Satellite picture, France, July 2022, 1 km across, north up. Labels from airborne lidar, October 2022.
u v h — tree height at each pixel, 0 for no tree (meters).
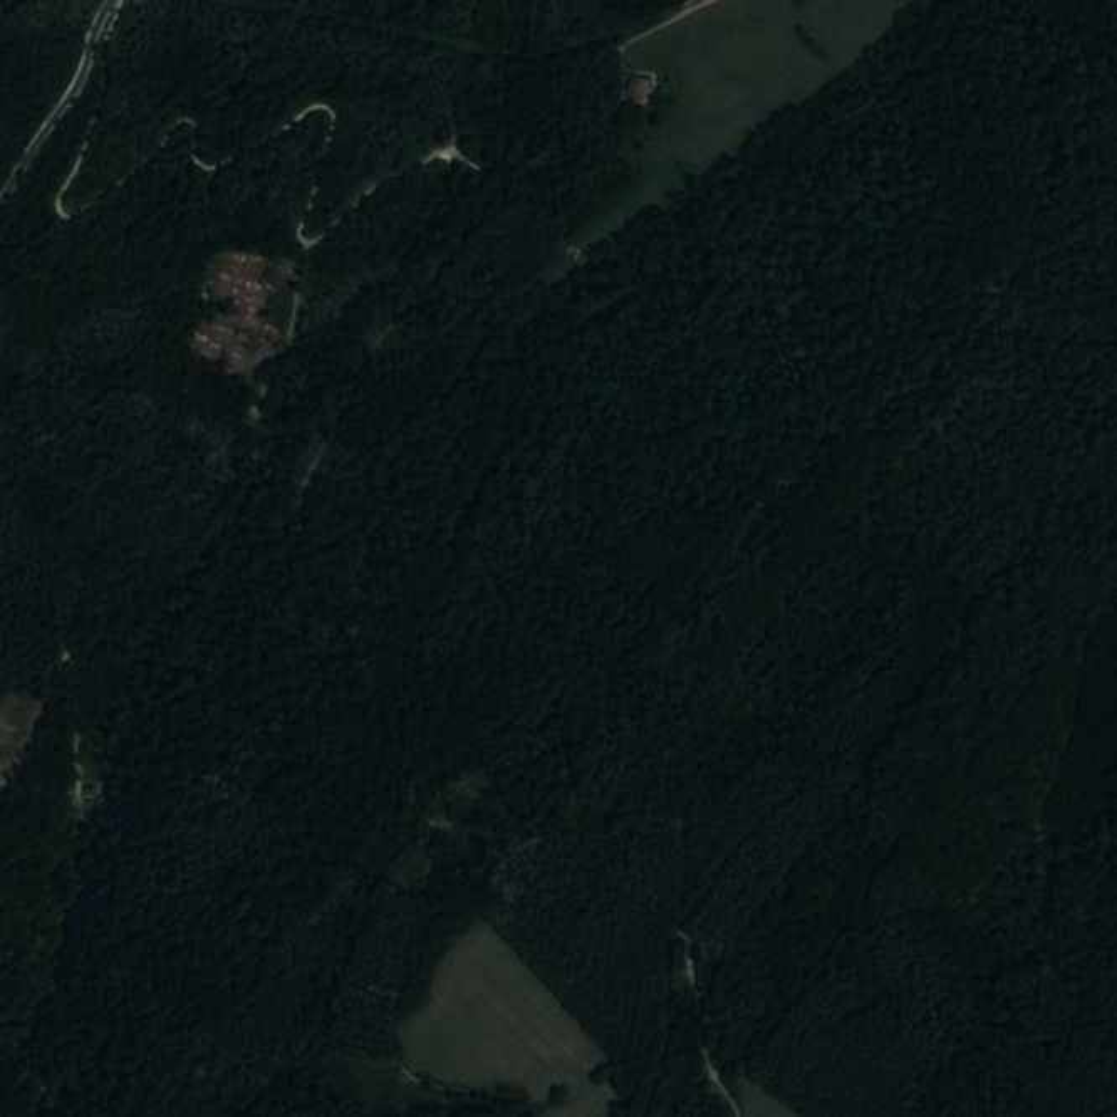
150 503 26
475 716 30
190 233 22
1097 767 15
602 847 8
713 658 25
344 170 11
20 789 25
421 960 23
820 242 24
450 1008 0
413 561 32
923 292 34
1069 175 36
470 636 31
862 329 37
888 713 13
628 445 19
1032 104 19
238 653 26
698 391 23
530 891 13
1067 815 10
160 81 11
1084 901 36
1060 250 14
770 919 27
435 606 34
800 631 18
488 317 21
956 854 21
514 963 0
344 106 9
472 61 13
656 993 14
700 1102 14
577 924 14
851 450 34
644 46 0
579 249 0
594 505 26
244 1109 13
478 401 20
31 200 17
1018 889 19
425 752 35
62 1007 30
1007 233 30
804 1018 21
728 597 32
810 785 30
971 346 21
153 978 28
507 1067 0
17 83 15
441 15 23
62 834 21
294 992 19
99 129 7
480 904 22
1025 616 16
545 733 30
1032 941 30
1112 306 13
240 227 17
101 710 20
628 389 34
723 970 21
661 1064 11
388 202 10
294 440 29
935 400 22
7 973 17
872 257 35
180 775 31
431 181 15
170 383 16
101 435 17
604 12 22
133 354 11
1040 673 24
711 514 20
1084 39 25
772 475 25
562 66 13
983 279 14
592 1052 0
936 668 12
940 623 12
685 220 8
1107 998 18
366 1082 0
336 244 13
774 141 26
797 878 23
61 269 16
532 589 28
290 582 31
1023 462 22
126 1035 26
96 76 10
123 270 11
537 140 21
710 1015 14
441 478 31
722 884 28
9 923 19
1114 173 17
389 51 17
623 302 13
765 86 0
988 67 37
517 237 25
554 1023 0
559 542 34
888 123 8
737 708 13
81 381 8
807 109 6
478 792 0
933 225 30
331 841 34
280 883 36
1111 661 8
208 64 19
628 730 24
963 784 27
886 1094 23
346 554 24
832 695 35
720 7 0
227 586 14
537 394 18
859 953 17
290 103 18
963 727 21
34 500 22
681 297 33
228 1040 13
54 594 17
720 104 0
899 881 25
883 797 19
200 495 26
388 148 27
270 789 28
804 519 31
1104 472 31
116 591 23
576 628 22
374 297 32
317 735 33
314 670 14
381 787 31
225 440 19
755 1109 0
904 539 20
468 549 31
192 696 29
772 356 28
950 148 26
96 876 32
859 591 16
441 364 9
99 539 18
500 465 22
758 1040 15
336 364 34
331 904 15
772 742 11
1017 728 19
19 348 11
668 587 31
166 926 28
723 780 14
